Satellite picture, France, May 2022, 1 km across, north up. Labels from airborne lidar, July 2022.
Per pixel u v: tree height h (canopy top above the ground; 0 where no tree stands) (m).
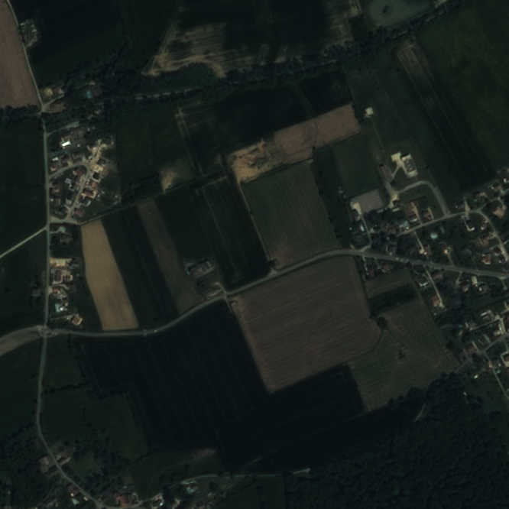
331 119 0
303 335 0
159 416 0
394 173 0
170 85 23
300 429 0
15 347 0
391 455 7
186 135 0
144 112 19
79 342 0
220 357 0
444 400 18
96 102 8
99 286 0
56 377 0
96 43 0
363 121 14
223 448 0
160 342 0
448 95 0
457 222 0
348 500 24
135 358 0
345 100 0
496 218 12
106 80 21
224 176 0
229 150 0
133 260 0
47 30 0
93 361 0
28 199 0
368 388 0
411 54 0
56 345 0
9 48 0
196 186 0
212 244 0
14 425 0
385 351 0
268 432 0
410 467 24
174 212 0
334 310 0
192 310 0
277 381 0
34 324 0
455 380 12
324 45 0
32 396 0
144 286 0
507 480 25
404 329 0
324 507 24
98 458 13
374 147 0
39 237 0
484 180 0
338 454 0
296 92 0
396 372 0
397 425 0
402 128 0
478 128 0
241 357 0
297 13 0
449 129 0
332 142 0
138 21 0
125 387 0
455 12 19
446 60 0
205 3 0
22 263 0
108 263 0
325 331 0
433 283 0
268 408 0
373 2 0
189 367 0
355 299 0
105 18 0
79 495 7
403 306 0
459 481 23
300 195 0
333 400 0
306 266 0
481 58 0
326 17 0
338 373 0
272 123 0
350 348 0
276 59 0
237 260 0
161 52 0
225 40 0
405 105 0
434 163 0
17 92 0
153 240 0
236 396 0
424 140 0
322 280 0
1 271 0
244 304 0
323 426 0
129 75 22
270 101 0
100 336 0
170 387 0
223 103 0
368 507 24
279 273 0
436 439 18
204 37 0
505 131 0
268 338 0
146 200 0
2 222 0
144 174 0
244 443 0
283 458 0
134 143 0
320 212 0
